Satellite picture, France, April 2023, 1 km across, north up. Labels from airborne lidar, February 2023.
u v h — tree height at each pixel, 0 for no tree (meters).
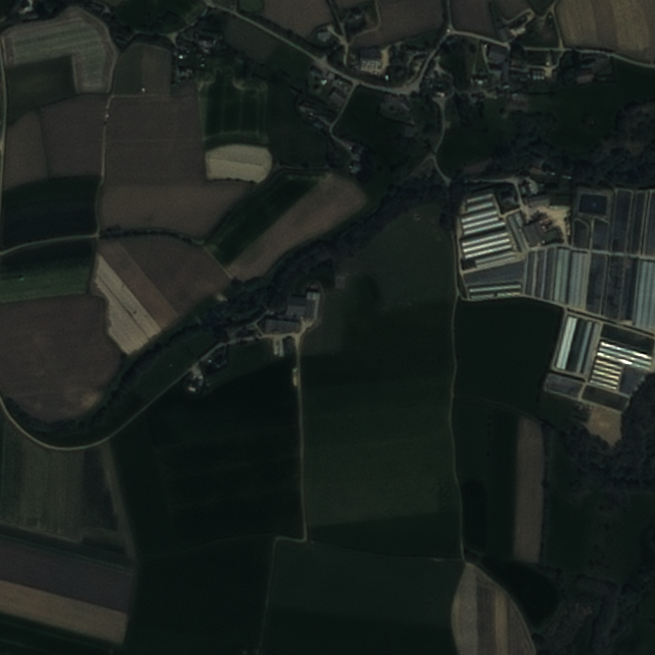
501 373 0
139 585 0
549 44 0
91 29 0
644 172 18
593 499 0
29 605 0
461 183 14
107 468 0
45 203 0
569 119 0
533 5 0
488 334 0
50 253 0
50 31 0
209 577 0
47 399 0
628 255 0
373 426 0
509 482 0
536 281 0
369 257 0
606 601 14
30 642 0
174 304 0
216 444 0
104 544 0
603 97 0
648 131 8
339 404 0
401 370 0
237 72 0
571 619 9
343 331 0
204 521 0
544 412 0
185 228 0
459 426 0
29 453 0
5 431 0
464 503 0
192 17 0
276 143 0
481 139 0
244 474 0
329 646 0
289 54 0
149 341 0
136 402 0
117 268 0
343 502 0
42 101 0
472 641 0
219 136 0
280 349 0
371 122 0
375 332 0
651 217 0
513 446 0
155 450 0
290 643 0
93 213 0
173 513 0
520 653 0
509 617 0
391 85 8
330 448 0
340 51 13
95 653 0
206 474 0
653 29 0
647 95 0
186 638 0
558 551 0
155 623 0
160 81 0
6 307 0
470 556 8
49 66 0
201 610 0
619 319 0
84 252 0
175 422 0
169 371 0
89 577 0
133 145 0
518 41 9
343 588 0
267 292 8
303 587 0
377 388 0
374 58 0
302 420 0
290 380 0
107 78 0
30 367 0
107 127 0
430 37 0
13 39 0
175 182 0
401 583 0
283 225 0
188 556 0
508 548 0
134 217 0
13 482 0
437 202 6
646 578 8
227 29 0
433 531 0
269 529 0
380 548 0
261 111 0
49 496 0
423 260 0
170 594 0
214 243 0
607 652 7
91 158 0
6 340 0
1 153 0
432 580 0
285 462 0
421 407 0
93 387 0
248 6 0
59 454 0
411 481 0
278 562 0
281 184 0
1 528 0
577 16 0
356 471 0
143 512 0
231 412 0
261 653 0
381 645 0
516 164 9
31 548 0
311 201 0
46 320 0
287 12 0
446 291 0
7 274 0
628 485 18
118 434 0
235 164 0
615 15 0
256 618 0
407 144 12
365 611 0
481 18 0
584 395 0
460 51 11
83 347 0
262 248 0
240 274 0
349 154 0
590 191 0
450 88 9
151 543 0
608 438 0
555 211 0
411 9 0
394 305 0
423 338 0
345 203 0
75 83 0
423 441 0
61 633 0
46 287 0
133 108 0
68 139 0
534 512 0
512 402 0
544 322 0
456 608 0
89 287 0
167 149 0
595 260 0
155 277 0
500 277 0
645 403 18
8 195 0
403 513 0
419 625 0
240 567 0
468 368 0
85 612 0
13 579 0
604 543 0
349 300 0
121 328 0
